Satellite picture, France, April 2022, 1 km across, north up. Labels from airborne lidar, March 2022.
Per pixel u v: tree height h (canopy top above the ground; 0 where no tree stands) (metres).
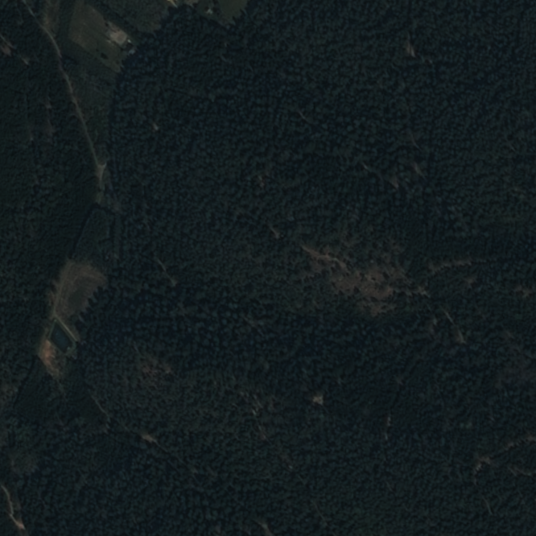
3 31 20
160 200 34
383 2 34
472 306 20
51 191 17
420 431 12
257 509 30
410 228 22
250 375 17
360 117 26
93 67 8
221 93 33
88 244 35
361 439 31
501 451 9
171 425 23
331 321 21
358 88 34
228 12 0
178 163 8
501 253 21
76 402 18
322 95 17
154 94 29
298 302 27
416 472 27
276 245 16
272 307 8
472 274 11
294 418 12
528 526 11
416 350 8
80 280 0
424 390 11
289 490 29
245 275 33
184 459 22
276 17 29
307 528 36
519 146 10
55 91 17
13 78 17
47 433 27
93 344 31
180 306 46
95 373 31
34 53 13
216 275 28
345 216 30
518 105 11
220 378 26
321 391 10
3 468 14
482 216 34
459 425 9
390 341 30
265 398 7
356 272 27
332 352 31
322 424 31
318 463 31
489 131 20
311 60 31
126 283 38
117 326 9
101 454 11
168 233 25
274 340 38
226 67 22
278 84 20
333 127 25
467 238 41
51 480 18
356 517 33
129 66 0
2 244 10
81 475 23
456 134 30
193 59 28
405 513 24
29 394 20
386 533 31
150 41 25
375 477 8
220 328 32
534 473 7
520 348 22
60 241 22
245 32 13
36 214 28
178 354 32
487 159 26
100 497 15
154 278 36
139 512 23
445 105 32
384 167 35
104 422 7
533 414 19
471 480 13
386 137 20
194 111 24
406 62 18
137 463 34
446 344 18
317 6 32
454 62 30
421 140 32
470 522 20
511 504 15
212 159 21
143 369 21
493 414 25
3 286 19
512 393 9
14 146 14
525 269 29
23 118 19
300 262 30
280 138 8
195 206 36
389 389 18
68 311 0
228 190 28
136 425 34
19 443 28
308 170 27
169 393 9
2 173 18
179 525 36
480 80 32
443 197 15
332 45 18
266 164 32
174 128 15
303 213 26
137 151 26
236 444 18
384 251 6
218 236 32
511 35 29
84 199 20
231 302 20
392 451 25
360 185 19
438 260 13
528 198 11
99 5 27
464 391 24
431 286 12
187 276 17
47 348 0
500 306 11
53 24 0
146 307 17
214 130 29
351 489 28
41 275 13
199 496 6
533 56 29
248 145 28
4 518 15
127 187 29
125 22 22
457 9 29
